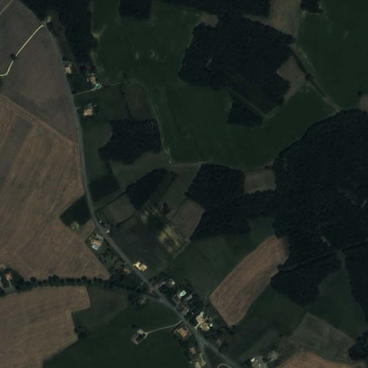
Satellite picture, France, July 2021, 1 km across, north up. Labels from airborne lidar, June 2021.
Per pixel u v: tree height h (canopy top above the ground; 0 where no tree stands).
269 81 20
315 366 0
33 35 0
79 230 0
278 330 0
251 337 0
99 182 0
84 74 16
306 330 0
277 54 22
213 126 0
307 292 22
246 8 15
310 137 16
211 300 0
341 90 0
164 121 0
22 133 0
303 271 20
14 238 0
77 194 0
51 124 0
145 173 0
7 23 0
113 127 13
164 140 0
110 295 0
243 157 0
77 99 0
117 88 0
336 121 21
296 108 0
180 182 0
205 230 17
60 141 0
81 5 21
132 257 0
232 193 20
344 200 25
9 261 0
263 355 0
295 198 25
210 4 23
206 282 0
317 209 17
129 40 0
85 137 0
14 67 0
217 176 27
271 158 0
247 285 0
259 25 23
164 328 0
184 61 10
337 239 16
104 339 0
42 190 0
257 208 24
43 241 0
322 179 19
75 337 0
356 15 0
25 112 0
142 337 11
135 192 25
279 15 0
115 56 0
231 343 0
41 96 0
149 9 35
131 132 24
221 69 14
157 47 0
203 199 24
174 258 0
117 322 0
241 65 20
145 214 0
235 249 0
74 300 0
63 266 0
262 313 0
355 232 19
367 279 17
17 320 0
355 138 23
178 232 0
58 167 0
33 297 0
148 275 0
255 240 0
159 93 0
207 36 23
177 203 0
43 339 0
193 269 0
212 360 0
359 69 0
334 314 0
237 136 0
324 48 0
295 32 0
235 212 23
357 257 17
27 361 0
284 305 0
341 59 0
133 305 6
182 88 0
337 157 17
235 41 25
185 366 0
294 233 21
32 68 0
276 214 18
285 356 0
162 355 0
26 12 0
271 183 0
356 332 0
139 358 0
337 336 0
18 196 0
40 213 0
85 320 0
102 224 8
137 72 0
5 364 0
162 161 0
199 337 0
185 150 0
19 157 0
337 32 0
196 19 0
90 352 0
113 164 0
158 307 0
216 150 0
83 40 17
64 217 0
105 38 0
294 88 0
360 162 20
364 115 19
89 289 0
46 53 0
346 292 0
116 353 0
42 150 0
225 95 0
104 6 0
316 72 0
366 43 0
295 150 26
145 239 0
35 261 0
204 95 0
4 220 0
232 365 0
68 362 0
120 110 0
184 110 0
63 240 0
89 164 0
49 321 0
